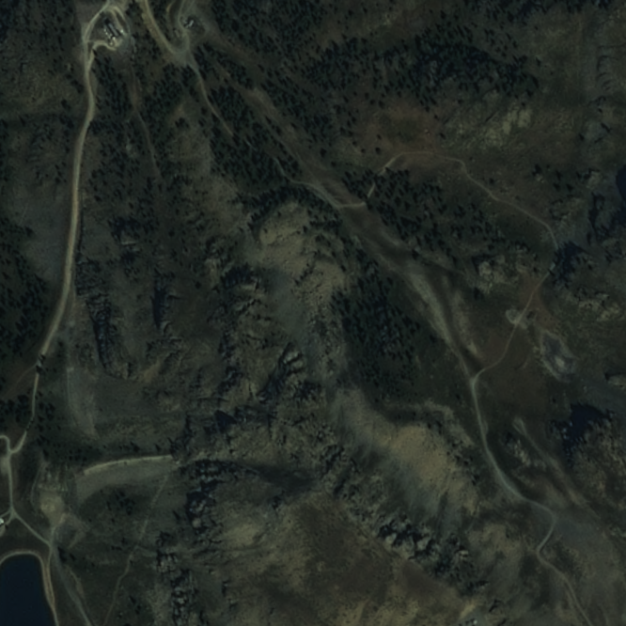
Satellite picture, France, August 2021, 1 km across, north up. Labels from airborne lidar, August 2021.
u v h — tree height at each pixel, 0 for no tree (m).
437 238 12
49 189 0
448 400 0
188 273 0
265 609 0
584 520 0
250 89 17
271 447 0
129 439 0
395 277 0
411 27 0
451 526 0
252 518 0
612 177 0
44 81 0
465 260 0
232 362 0
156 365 0
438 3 0
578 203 0
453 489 0
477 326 0
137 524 0
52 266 0
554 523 0
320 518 0
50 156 0
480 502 0
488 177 0
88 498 0
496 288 0
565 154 0
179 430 0
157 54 17
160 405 0
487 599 0
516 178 0
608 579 0
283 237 0
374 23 0
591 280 0
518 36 0
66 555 15
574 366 0
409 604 0
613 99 0
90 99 0
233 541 0
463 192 0
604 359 0
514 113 0
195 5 0
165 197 0
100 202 10
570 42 0
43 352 0
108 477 0
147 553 0
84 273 0
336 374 0
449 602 0
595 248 0
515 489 0
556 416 0
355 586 0
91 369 0
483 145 0
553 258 0
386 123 0
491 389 0
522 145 0
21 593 0
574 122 0
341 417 0
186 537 0
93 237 0
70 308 0
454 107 0
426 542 0
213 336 0
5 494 0
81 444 0
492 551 0
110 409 0
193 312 0
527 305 0
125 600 0
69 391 0
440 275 0
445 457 0
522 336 0
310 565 0
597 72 0
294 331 0
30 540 0
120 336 0
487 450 0
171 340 0
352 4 0
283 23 11
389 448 0
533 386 0
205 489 0
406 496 0
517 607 0
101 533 0
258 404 0
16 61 0
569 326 0
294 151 0
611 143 0
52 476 0
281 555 0
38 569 0
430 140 0
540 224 0
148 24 0
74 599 0
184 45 0
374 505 0
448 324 0
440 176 0
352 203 0
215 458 0
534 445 0
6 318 18
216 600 0
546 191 0
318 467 0
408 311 0
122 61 0
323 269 0
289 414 0
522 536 0
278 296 0
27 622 0
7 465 0
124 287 0
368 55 7
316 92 0
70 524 0
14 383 0
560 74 0
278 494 0
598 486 0
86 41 0
